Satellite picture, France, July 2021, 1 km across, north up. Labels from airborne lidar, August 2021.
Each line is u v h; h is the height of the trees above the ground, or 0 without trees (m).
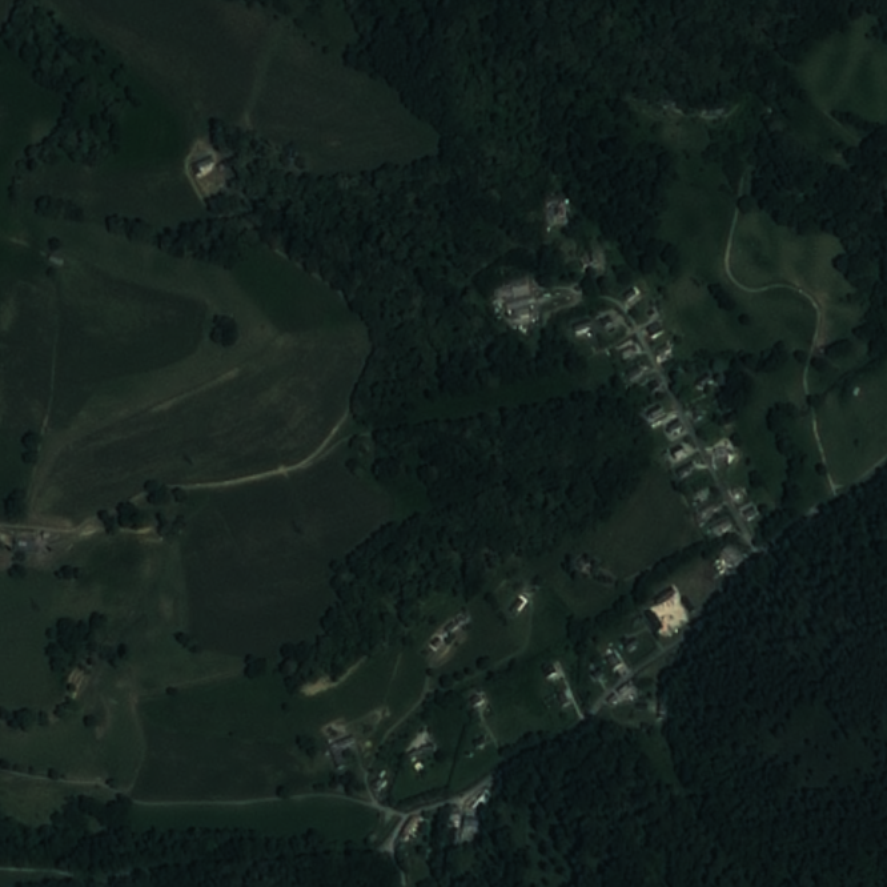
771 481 0
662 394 10
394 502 0
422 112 20
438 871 18
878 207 28
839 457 0
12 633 0
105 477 0
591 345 0
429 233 26
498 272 9
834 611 22
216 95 0
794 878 8
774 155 16
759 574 17
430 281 32
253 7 9
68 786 0
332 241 24
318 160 0
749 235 0
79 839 9
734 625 22
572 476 22
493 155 26
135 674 0
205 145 0
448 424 14
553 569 0
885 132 18
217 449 0
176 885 22
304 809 0
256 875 24
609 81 19
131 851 23
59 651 25
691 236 0
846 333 0
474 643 0
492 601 11
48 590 0
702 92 23
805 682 18
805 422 0
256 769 0
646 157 8
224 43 0
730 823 13
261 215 29
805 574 24
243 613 0
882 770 9
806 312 0
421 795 8
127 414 0
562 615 0
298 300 0
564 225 0
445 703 16
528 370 20
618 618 9
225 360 0
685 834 24
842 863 19
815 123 0
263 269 0
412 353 29
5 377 0
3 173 0
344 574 21
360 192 23
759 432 0
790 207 17
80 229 0
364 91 0
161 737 0
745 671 22
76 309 0
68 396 0
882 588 26
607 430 29
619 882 28
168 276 0
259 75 0
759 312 0
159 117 0
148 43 0
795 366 0
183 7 0
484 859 8
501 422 7
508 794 14
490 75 10
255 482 0
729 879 31
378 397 27
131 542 0
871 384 0
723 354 7
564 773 24
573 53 19
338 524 0
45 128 0
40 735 0
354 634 19
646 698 6
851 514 25
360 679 0
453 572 26
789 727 12
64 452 0
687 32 23
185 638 20
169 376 0
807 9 22
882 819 18
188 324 0
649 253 22
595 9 23
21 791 0
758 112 13
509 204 26
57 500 0
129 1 0
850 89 0
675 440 0
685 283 0
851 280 22
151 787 0
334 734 8
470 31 25
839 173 25
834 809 22
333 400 0
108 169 0
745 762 9
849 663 21
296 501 0
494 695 0
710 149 10
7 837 21
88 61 20
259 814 0
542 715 0
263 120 0
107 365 0
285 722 0
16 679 0
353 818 0
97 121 18
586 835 22
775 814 8
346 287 18
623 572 0
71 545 0
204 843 24
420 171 21
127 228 22
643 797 24
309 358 0
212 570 0
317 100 0
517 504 26
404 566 25
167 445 0
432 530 28
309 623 0
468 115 26
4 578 0
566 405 27
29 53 20
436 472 22
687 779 22
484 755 0
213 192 0
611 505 16
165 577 0
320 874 26
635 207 23
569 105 12
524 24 26
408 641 16
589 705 6
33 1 22
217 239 16
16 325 0
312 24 0
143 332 0
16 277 0
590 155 33
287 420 0
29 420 0
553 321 11
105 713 0
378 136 0
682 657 9
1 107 0
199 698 0
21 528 0
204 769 0
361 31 17
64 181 0
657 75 19
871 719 14
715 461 0
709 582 0
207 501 0
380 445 23
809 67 0
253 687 0
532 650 0
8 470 0
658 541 0
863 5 13
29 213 0
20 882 0
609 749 21
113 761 0
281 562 0
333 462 0
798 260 0
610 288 22
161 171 0
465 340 30
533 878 0
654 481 0
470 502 10
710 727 21
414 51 25
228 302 0
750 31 27
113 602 0
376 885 21
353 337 0
